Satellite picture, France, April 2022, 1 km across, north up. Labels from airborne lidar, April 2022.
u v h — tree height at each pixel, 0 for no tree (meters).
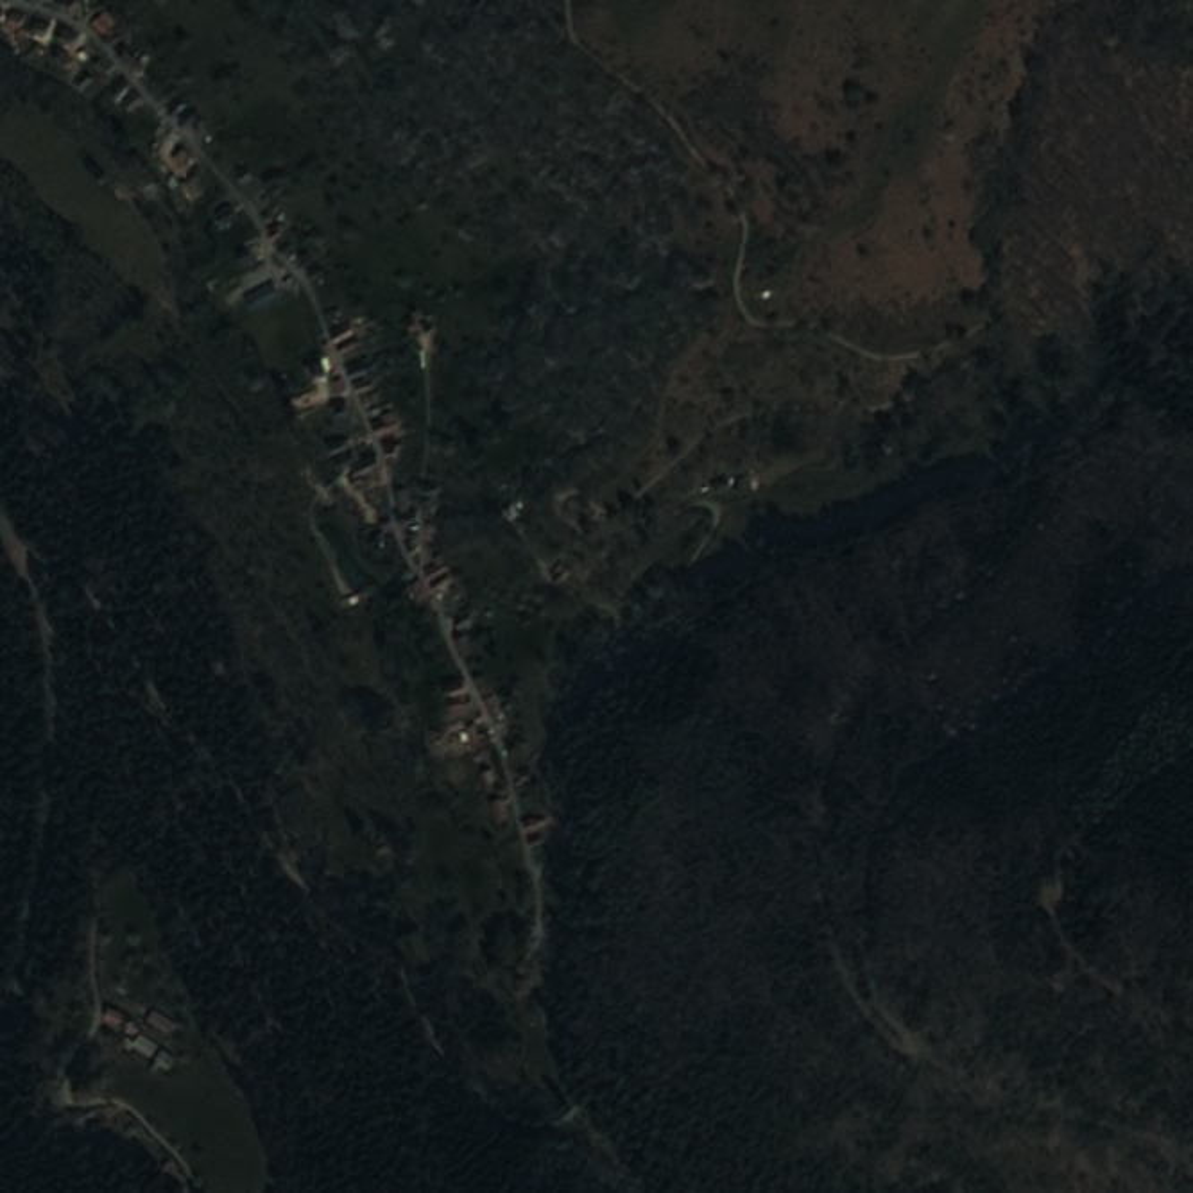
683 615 15
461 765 0
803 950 16
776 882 15
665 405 11
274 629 23
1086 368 24
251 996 32
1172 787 19
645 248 19
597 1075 30
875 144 0
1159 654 23
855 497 0
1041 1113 16
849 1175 19
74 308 19
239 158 0
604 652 20
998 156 10
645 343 18
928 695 15
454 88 18
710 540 12
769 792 7
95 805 23
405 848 20
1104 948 19
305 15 23
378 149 11
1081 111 25
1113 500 14
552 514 17
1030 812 21
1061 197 28
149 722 34
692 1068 21
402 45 9
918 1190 14
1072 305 30
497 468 0
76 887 37
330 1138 36
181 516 33
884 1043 15
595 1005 26
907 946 20
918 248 0
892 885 22
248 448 10
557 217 12
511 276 0
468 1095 33
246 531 14
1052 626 14
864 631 14
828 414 13
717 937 16
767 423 19
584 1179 30
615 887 33
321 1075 34
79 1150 31
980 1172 15
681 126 9
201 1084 0
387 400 0
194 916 26
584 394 17
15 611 26
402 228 9
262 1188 0
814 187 7
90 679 28
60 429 31
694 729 13
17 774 33
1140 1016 23
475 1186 32
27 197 10
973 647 14
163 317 0
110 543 35
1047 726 23
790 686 12
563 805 25
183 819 33
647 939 23
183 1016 9
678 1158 25
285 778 30
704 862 15
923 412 23
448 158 11
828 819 9
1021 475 31
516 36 20
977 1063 11
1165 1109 12
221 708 37
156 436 20
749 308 0
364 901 24
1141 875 20
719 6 0
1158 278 21
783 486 0
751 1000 17
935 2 0
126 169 8
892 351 7
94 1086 11
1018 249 31
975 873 19
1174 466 15
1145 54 21
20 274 34
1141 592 10
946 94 0
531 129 24
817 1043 14
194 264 10
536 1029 0
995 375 23
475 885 0
